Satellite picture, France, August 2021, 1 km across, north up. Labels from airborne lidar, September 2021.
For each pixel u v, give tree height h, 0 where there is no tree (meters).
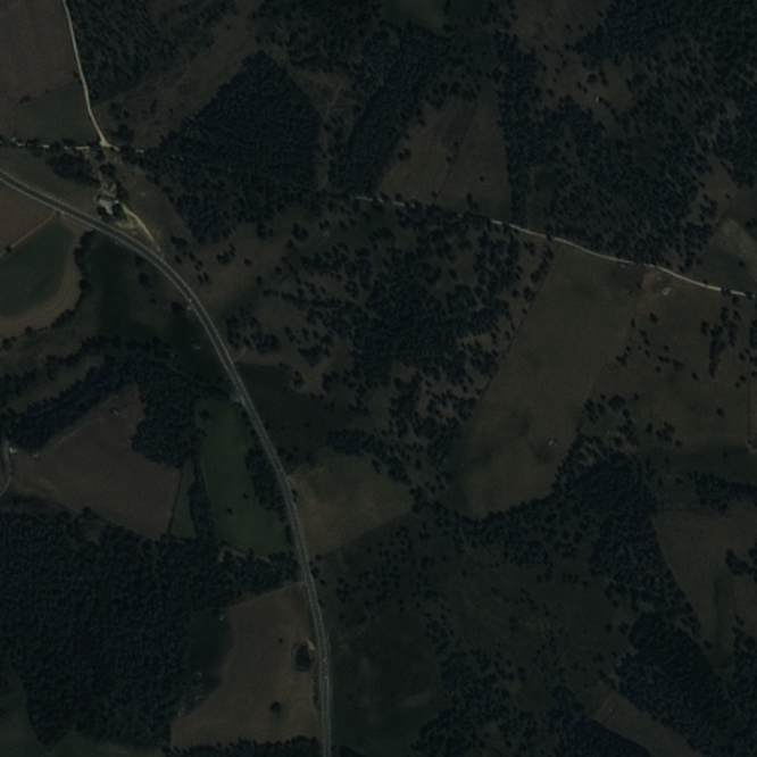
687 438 0
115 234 0
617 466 18
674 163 17
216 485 0
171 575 16
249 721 0
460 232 17
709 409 0
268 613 0
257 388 0
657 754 0
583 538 14
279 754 10
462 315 12
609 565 17
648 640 16
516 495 0
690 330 0
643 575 19
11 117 0
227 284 0
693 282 0
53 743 9
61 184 0
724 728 10
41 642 12
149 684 18
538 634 0
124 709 8
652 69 19
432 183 0
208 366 0
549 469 0
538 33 0
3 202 0
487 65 0
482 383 0
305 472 0
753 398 0
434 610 0
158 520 0
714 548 0
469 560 0
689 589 0
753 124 12
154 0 0
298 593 0
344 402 0
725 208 0
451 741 8
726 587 0
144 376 15
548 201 0
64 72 0
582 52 17
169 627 12
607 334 0
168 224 0
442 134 0
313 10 19
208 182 14
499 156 0
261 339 12
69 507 0
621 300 0
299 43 12
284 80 17
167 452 18
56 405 10
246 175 20
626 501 25
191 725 0
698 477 10
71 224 0
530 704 0
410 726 0
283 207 16
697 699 16
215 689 0
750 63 13
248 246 0
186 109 0
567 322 0
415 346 14
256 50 0
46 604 17
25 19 0
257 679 0
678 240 6
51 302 0
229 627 0
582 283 0
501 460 0
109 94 0
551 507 9
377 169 14
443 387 0
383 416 0
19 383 8
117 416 0
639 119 15
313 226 0
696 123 0
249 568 19
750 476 0
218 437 0
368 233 0
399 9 0
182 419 16
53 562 17
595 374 0
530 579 0
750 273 0
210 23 11
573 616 0
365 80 12
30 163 0
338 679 0
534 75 13
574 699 11
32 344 0
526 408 0
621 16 15
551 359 0
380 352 17
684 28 16
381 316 17
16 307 0
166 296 0
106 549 12
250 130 19
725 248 0
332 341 15
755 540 0
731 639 0
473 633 0
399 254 8
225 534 0
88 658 15
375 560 0
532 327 0
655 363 0
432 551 0
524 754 9
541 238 0
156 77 0
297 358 0
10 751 0
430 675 0
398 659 0
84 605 16
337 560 0
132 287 0
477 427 0
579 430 7
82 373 0
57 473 0
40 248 0
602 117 0
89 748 0
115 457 0
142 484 0
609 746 26
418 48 19
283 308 0
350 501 0
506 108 10
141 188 0
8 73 0
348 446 15
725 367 0
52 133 0
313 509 0
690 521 0
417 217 15
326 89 0
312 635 0
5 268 0
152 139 0
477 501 0
